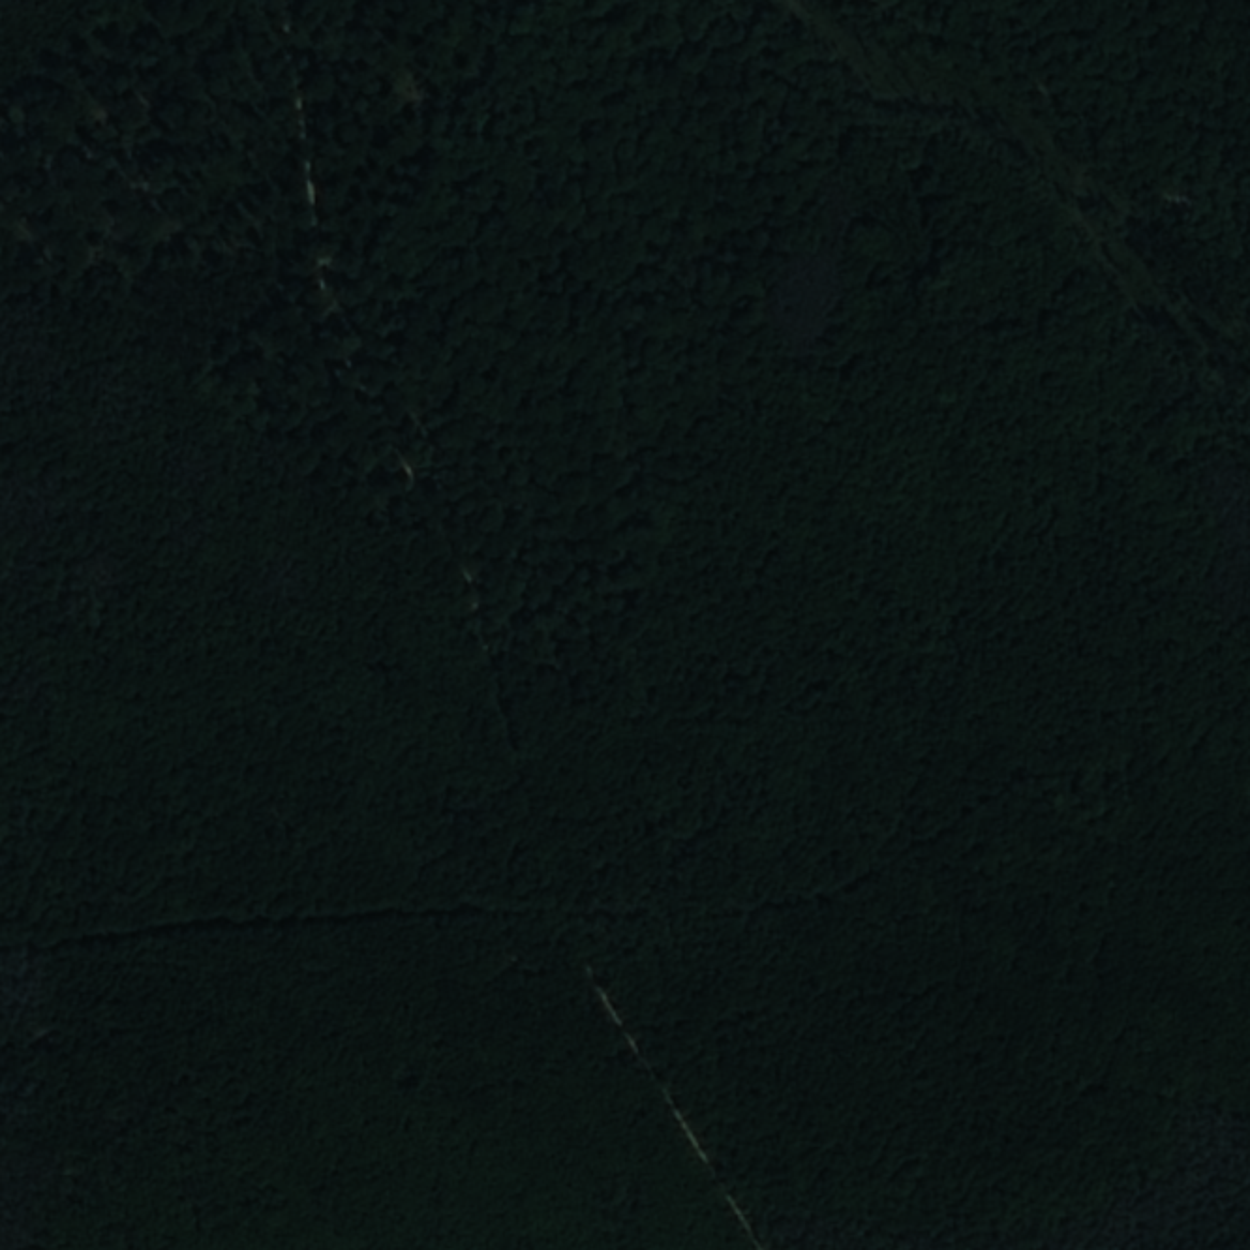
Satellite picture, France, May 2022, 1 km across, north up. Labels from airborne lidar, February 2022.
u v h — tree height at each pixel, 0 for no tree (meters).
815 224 24
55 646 23
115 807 24
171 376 24
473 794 27
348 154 29
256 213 30
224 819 25
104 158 31
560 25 27
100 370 22
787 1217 18
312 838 23
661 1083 18
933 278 26
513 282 27
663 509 25
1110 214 20
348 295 28
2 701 25
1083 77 25
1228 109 25
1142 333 17
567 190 31
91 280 28
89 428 26
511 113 24
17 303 22
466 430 28
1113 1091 22
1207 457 23
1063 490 27
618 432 27
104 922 22
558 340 29
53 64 28
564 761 22
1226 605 22
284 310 30
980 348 25
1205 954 25
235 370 30
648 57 17
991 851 26
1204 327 18
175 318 22
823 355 22
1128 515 23
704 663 26
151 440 20
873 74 0
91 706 26
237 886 21
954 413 25
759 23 25
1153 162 24
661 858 21
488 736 25
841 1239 20
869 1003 21
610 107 30
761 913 25
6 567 20
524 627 24
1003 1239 21
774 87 30
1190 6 26
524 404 29
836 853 25
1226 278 22
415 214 25
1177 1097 21
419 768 26
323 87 28
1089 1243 25
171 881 22
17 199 30
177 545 22
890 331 25
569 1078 16
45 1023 20
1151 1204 23
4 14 13
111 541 24
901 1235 19
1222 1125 20
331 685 26
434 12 25
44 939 23
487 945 23
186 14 28
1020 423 22
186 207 32
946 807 23
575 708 26
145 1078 22
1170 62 22
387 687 25
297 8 23
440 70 26
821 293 22
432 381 28
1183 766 25
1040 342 24
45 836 23
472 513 21
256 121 31
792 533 24
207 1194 16
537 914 25
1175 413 27
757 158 23
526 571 24
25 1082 29
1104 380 24
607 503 30
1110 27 26
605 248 27
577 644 28
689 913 25
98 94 31
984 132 16
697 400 26
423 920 19
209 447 25
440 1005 17
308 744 23
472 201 27
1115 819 23
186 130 31
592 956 21
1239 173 26
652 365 27
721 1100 22
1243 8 24
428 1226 16
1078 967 24
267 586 20
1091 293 25
